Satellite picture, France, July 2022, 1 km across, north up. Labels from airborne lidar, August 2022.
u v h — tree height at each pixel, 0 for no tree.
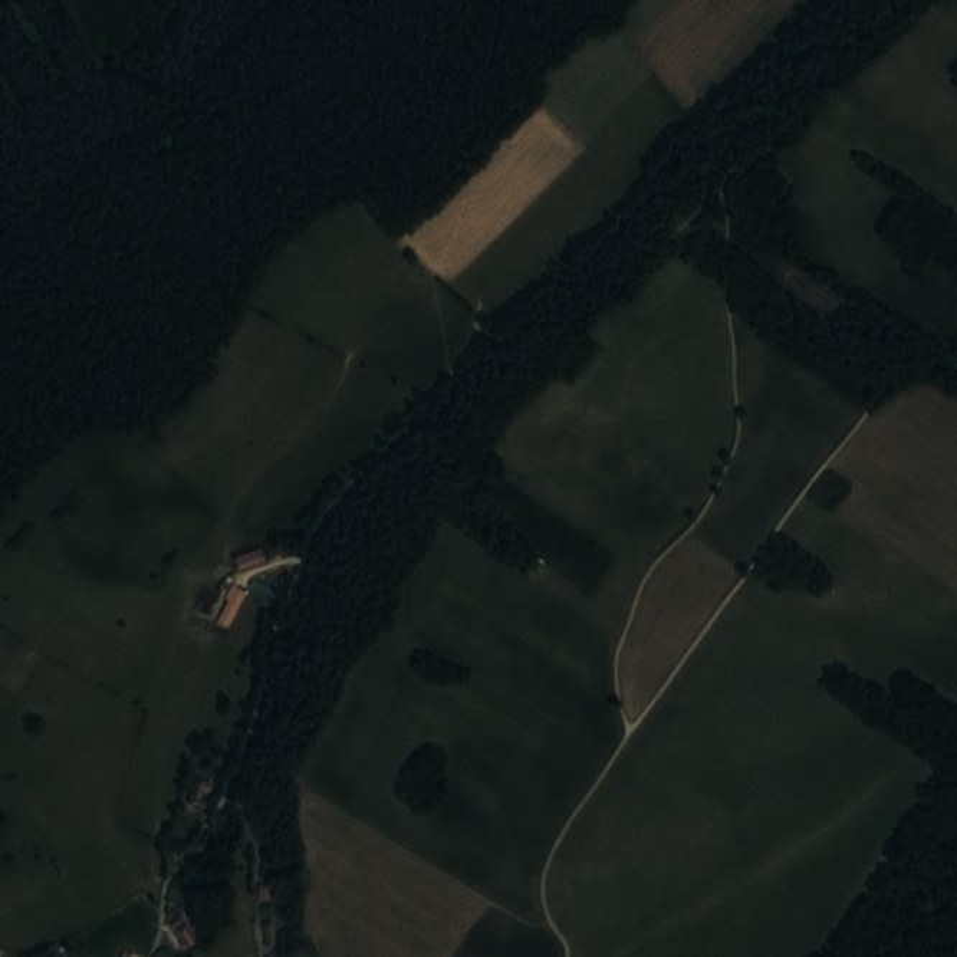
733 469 0
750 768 0
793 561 14
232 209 26
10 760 0
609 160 0
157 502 0
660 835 0
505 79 20
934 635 0
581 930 0
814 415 0
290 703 19
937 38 0
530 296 19
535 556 19
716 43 0
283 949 12
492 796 0
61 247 17
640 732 0
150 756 0
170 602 0
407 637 0
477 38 17
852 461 0
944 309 0
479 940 0
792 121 13
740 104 24
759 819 0
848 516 0
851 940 22
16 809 0
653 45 0
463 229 0
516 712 0
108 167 24
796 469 0
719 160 9
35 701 0
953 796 24
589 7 20
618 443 0
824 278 15
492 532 22
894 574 0
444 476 21
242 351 0
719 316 0
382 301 0
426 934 0
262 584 0
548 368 15
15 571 0
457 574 0
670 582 0
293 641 29
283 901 7
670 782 0
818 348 15
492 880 0
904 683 24
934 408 0
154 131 20
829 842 0
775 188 15
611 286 22
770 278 18
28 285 23
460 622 0
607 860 0
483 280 0
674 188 16
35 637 0
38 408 21
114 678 0
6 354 23
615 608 0
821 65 16
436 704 0
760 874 0
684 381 0
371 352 0
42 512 0
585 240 21
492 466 18
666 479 0
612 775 0
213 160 20
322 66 25
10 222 24
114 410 17
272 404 0
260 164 22
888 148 0
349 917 0
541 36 20
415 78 23
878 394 13
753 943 0
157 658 0
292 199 23
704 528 0
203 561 0
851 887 0
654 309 0
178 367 22
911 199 15
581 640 0
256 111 20
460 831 0
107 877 0
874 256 0
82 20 0
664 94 0
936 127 0
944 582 0
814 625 0
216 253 23
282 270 0
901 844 23
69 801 0
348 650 20
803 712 0
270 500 0
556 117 0
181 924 0
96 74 39
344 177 23
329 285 0
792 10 0
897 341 25
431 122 19
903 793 0
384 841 0
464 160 21
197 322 18
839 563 0
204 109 19
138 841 0
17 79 32
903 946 8
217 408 0
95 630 0
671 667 0
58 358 21
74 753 0
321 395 0
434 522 9
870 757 0
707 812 0
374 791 0
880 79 0
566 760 0
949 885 21
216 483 0
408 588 0
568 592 0
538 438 0
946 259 23
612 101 0
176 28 10
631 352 0
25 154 34
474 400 22
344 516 23
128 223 22
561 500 0
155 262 18
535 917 0
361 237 0
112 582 0
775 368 0
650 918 0
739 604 0
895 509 0
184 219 19
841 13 22
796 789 0
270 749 20
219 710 11
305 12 24
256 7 20
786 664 0
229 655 0
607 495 0
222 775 15
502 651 0
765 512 0
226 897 24
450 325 0
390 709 0
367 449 0
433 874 0
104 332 20
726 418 0
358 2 18
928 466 0
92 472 0
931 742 21
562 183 0
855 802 0
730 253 16
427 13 21
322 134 22
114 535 0
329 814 0
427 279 0
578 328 18
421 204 22
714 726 0
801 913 0
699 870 0
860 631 0
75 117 35
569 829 0
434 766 13
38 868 0
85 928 0
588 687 0
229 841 10
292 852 14
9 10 26
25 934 0
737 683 0
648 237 19
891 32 16
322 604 25
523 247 0
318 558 22
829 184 0
